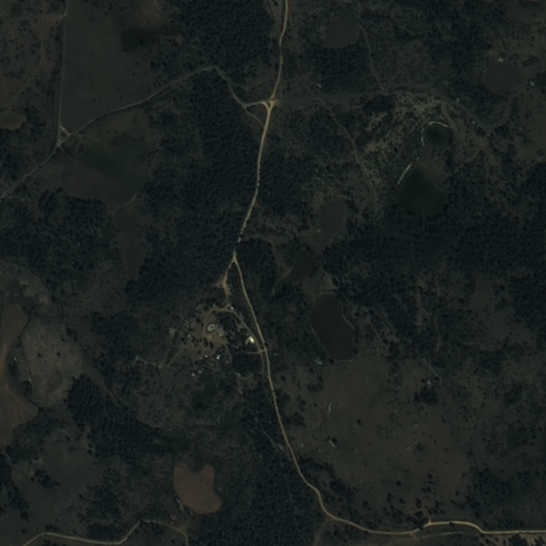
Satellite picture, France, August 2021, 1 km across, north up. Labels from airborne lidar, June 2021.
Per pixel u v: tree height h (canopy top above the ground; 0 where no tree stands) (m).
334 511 0
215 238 13
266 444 6
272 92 0
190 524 0
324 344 0
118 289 0
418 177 0
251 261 14
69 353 0
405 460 0
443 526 0
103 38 0
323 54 11
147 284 14
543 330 7
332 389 0
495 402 0
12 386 0
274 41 9
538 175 11
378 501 0
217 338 0
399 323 7
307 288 0
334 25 0
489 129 0
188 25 15
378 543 0
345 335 0
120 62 0
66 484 0
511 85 0
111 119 0
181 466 0
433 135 0
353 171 0
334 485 11
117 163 0
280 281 0
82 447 0
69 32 0
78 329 0
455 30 11
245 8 8
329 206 0
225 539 9
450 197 12
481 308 0
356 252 9
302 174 6
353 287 7
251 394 11
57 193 11
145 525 11
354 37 0
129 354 7
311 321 0
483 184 11
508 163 11
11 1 0
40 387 0
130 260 0
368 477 0
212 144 11
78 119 0
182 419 0
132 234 0
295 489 11
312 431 0
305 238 0
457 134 0
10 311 0
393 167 0
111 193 0
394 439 0
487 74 0
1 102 0
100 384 0
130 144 0
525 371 0
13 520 0
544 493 0
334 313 0
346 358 0
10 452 13
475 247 11
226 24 8
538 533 0
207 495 0
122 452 9
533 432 9
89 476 0
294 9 0
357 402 0
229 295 0
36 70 0
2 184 0
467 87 7
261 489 16
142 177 0
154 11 0
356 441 0
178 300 0
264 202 9
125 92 0
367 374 0
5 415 0
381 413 0
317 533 0
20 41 0
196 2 11
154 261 6
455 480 0
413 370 0
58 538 0
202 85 9
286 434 0
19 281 0
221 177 14
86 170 0
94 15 0
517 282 12
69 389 0
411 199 0
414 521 6
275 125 0
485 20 6
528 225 12
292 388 0
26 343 0
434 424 0
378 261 7
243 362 15
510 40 0
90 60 0
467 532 0
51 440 0
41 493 0
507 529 6
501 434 0
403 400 0
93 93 0
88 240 7
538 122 0
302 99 0
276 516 7
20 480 0
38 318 0
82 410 12
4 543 0
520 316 8
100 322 9
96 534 9
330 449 0
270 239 0
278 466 7
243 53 8
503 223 12
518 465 0
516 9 0
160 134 0
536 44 0
